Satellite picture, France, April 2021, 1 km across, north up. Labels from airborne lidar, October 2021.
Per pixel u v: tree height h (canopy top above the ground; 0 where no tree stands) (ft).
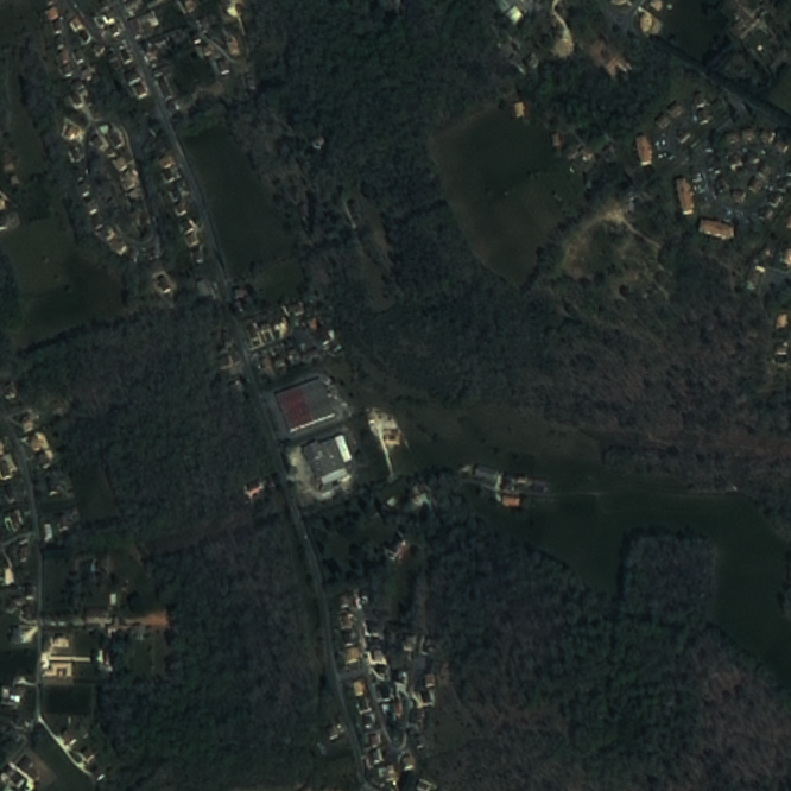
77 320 0
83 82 23
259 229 0
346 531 49
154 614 0
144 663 0
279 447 42
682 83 71
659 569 62
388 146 78
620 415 77
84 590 23
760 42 0
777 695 55
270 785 30
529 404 47
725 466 60
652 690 52
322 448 0
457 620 80
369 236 78
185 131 79
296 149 23
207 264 0
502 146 0
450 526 66
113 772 26
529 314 54
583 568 0
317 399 0
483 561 77
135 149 0
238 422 91
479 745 22
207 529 29
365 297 36
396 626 24
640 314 63
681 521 0
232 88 0
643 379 34
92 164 34
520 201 0
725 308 65
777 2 26
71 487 0
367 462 30
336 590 47
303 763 65
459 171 0
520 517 40
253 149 59
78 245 51
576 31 56
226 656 69
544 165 0
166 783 21
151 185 67
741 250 41
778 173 0
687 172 0
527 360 57
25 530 22
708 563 52
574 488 0
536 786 57
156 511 74
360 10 57
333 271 59
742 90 46
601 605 48
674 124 0
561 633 30
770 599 0
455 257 78
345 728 0
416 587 70
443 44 71
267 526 53
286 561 86
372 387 50
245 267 0
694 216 0
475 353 40
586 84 58
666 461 75
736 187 56
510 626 64
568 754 84
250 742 70
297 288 0
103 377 59
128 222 66
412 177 87
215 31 33
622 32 52
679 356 41
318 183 61
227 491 90
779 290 27
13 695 0
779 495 28
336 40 86
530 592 43
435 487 63
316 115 64
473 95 42
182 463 87
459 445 0
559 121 53
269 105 72
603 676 72
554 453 0
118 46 0
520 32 50
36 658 0
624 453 44
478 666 82
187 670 87
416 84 54
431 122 51
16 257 0
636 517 0
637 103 64
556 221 0
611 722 33
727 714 29
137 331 80
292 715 60
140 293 56
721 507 0
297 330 0
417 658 0
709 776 20
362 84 70
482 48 62
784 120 66
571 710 52
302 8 89
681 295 59
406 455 0
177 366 88
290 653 61
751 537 0
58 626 26
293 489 48
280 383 0
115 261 78
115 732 89
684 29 0
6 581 0
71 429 53
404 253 77
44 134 50
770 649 0
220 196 0
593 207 65
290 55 51
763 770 42
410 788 30
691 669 61
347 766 0
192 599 92
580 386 42
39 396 65
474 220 0
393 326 21
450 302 66
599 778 70
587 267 0
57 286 0
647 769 48
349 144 78
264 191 0
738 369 56
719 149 53
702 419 48
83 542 73
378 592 68
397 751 0
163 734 70
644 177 0
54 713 0
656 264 30
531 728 53
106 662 0
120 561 0
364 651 0
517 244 0
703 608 66
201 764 81
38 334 0
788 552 0
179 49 31
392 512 17
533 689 64
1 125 79
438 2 62
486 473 0
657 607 64
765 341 51
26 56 53
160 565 57
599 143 54
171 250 71
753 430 59
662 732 47
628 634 73
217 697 94
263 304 28
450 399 21
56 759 0
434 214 74
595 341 54
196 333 94
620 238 45
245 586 96
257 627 75
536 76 65
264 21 77
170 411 77
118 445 62
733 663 45
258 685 54
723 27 39
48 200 0
